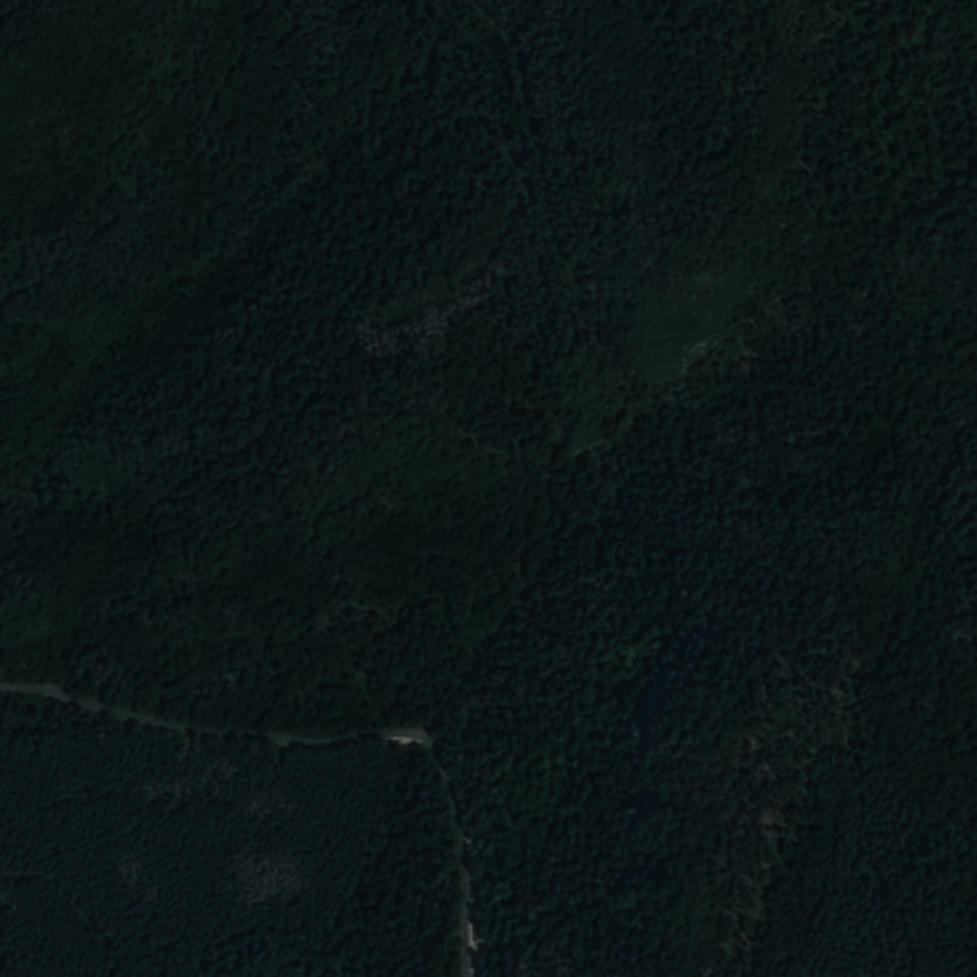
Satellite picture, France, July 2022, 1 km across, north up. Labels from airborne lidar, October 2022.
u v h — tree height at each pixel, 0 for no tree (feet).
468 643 44
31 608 32
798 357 79
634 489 93
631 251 25
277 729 73
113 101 77
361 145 83
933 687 74
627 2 68
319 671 84
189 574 39
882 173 86
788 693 68
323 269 31
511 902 53
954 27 33
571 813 71
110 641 87
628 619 72
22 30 63
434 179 56
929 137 113
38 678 43
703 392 24
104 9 69
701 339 97
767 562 107
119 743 91
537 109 87
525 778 53
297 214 25
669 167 73
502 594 84
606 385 59
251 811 92
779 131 69
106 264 72
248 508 60
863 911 95
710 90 45
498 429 92
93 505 48
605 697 71
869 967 76
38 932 104
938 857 113
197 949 104
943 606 57
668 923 48
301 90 100
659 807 91
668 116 59
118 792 63
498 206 99
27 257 63
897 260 40
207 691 89
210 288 25
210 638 57
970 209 73
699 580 82
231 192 87
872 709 94
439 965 108
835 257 83
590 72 88
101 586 59
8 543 76
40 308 80
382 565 78
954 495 113
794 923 39
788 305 72
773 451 79
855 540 56
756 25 72
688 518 70
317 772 88
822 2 83
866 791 96
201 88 45
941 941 79
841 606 46
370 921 77
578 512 94
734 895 85
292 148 119
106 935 99
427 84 30
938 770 35
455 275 88
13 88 45
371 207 39
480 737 76
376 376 72
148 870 112
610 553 86
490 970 65
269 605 36
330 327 49
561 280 108
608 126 78
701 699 66
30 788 88
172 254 80
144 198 61
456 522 82
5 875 98
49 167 74
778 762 79
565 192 106
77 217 59
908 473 94
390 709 52
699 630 28
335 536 121
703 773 75
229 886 90
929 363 71
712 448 68
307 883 99
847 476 92
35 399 32
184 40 38
